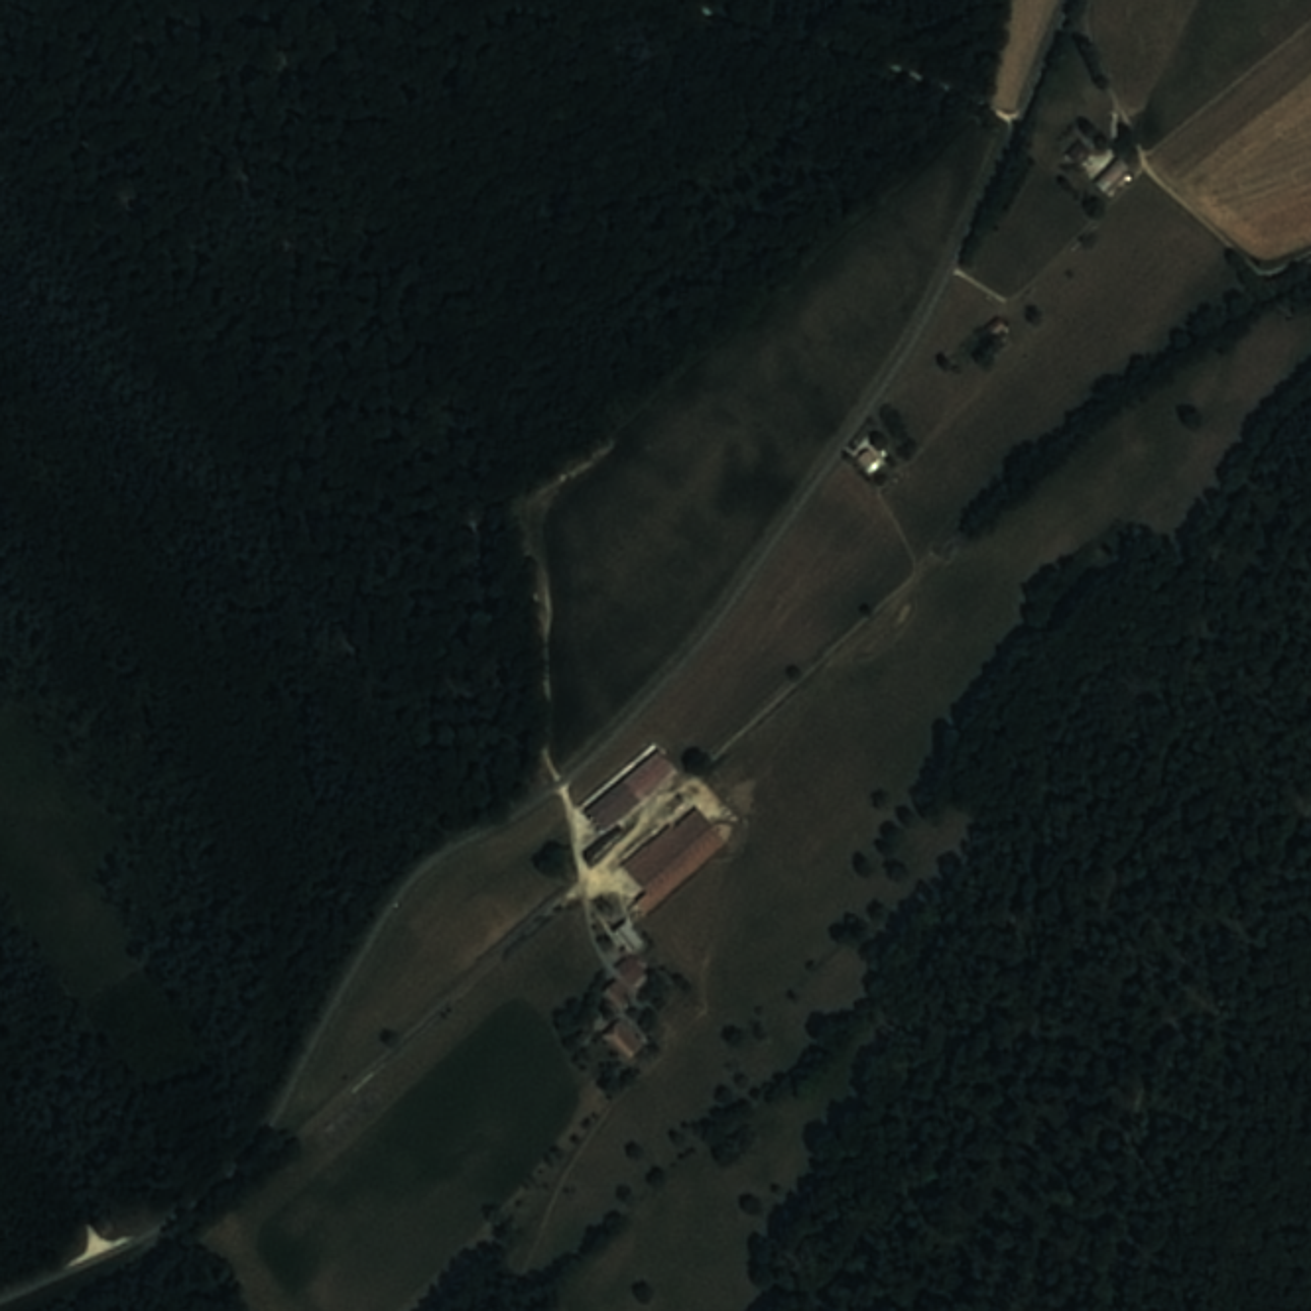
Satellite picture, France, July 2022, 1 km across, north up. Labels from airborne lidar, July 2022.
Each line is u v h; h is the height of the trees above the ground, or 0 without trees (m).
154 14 31
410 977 0
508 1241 17
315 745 21
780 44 24
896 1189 25
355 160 27
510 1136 0
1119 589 23
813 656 0
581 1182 0
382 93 28
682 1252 0
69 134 29
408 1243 0
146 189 26
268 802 16
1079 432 21
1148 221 0
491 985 0
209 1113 19
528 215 23
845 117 25
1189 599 19
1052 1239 9
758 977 0
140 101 31
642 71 28
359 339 27
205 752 15
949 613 0
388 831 17
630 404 27
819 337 0
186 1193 22
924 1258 7
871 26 29
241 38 30
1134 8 0
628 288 28
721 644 0
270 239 34
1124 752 26
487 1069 0
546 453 27
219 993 24
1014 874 18
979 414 0
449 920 0
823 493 0
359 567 28
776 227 28
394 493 27
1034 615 15
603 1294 0
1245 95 0
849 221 16
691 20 23
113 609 18
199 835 18
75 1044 9
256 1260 0
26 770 0
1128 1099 30
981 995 22
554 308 25
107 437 18
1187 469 0
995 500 22
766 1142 0
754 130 20
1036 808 19
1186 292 0
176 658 17
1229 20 0
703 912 0
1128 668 18
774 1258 23
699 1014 0
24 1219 17
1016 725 22
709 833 0
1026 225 0
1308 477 22
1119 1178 11
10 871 0
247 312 26
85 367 26
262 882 14
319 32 28
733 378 0
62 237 20
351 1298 0
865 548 0
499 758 29
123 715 17
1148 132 0
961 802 23
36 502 17
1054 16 0
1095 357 0
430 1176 0
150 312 22
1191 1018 9
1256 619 17
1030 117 8
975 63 16
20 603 32
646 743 0
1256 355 0
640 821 0
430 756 15
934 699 0
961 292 0
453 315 31
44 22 30
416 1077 0
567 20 28
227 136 28
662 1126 0
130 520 20
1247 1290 20
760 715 0
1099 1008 24
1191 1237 23
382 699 13
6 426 17
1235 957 26
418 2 27
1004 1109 17
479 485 27
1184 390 0
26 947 25
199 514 24
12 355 20
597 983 6
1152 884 11
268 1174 15
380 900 9
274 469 26
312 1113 0
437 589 30
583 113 21
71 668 23
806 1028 0
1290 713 19
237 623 12
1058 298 0
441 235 26
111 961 0
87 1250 0
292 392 28
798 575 0
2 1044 19
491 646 27
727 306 22
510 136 24
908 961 15
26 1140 15
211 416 22
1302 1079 23
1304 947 21
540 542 0
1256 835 25
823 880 0
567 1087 0
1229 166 0
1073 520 0
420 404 29
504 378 25
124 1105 22
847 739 0
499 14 25
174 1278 17
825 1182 19
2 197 28
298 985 22
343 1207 0
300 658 22
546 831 0
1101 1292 28
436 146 25
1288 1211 19
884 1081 21
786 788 0
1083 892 19
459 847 0
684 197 24
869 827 0
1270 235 0
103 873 0
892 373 0
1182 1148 26
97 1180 23
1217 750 23
